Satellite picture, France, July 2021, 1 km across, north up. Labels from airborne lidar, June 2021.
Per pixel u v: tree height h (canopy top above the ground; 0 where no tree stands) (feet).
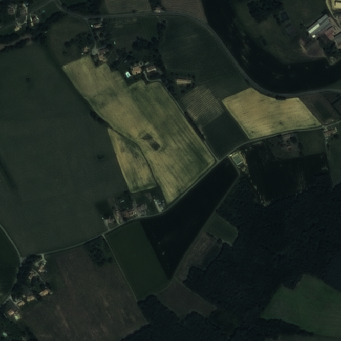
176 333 63
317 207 85
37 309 0
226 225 0
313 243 76
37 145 0
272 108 0
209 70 0
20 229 0
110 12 0
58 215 0
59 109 0
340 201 102
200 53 0
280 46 0
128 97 0
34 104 0
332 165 0
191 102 0
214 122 0
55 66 0
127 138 0
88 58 0
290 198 40
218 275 61
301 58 0
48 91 0
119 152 0
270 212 78
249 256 65
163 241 0
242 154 0
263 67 0
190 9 0
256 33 0
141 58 0
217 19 0
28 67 0
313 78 0
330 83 0
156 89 0
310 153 0
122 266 0
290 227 66
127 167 0
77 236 0
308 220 101
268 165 0
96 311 0
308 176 0
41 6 0
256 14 79
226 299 78
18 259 0
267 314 0
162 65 32
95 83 0
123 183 0
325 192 94
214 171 0
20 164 0
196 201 0
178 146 0
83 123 0
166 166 0
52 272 0
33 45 0
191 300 0
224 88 0
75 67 0
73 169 0
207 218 0
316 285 0
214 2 0
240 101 0
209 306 0
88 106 0
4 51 35
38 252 0
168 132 0
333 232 83
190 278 51
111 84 0
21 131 0
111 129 0
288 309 0
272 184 0
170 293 0
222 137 0
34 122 0
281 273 60
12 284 0
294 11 0
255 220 66
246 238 60
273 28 0
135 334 50
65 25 0
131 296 0
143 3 0
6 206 0
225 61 0
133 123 0
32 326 0
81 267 0
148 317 62
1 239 0
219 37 0
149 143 0
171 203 0
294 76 0
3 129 0
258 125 0
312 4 0
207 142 0
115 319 0
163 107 0
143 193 0
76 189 0
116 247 0
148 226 0
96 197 0
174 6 0
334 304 0
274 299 0
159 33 46
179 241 0
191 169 0
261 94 0
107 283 0
